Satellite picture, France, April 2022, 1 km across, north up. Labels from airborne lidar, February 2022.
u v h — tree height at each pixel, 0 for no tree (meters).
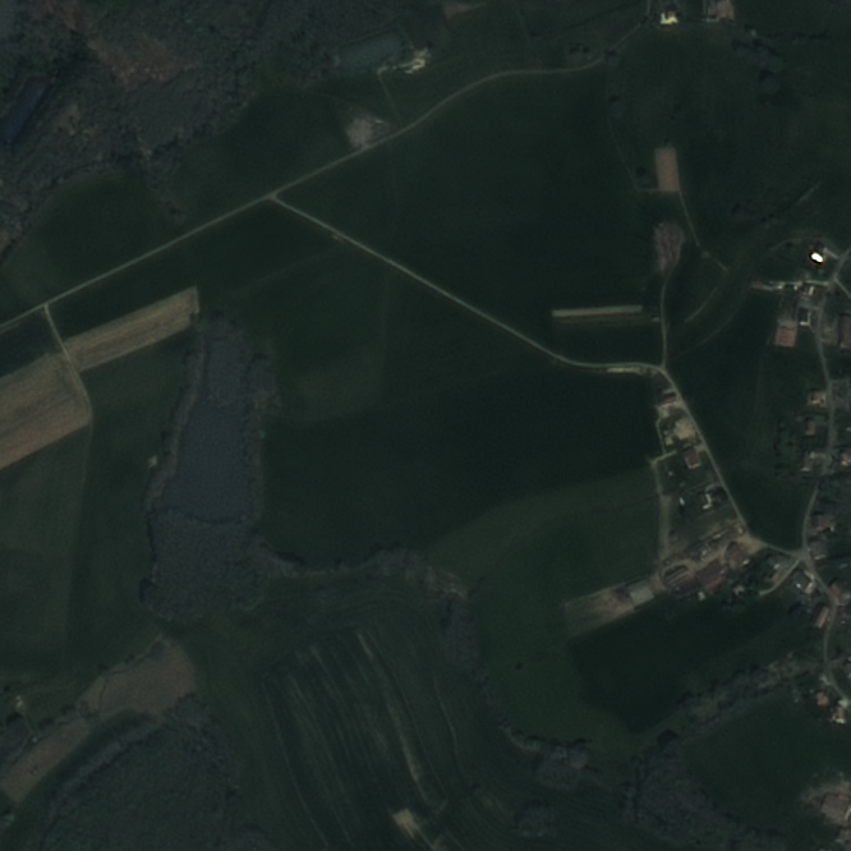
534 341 0
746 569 5
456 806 0
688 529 0
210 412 0
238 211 0
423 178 0
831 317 0
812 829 0
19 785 0
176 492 0
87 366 0
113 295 0
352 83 0
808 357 0
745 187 0
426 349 0
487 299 0
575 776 18
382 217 0
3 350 0
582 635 0
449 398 0
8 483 0
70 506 0
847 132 0
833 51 0
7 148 20
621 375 0
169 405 0
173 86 7
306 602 0
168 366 0
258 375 18
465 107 0
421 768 0
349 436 0
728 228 0
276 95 0
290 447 0
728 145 0
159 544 27
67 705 0
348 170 0
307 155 0
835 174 0
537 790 0
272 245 0
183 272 0
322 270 0
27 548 0
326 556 0
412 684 0
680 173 0
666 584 0
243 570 22
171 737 18
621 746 0
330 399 0
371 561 12
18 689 0
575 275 0
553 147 0
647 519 0
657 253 0
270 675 0
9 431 0
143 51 0
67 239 0
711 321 0
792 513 0
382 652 0
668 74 0
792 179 0
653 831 18
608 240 0
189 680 0
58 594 0
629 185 0
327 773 0
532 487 0
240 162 0
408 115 0
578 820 0
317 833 0
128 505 0
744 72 0
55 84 16
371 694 0
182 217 14
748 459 0
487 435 0
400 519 0
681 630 0
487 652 0
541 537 0
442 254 0
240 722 0
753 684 7
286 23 23
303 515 0
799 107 0
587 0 0
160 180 18
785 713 0
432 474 0
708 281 0
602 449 0
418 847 0
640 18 0
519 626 0
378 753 0
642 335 0
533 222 0
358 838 0
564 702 0
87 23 22
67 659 0
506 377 0
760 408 0
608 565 0
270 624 0
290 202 0
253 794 0
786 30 0
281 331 0
